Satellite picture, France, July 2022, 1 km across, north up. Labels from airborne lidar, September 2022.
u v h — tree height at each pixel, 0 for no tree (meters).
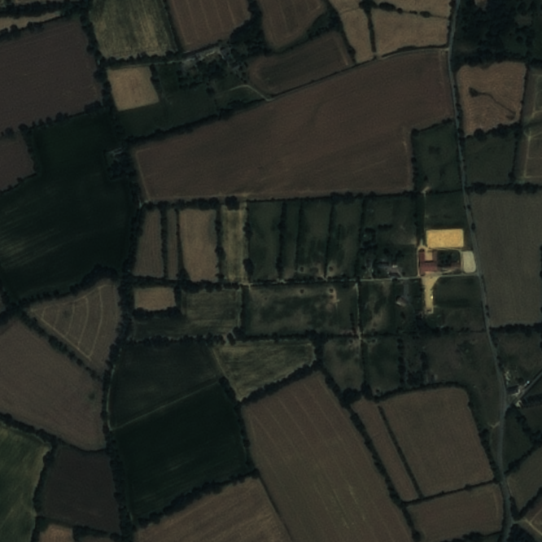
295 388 0
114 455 14
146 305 0
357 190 0
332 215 8
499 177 0
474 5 21
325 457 0
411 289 0
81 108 0
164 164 0
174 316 19
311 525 0
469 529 0
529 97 0
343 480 0
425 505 0
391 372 0
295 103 0
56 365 0
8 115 0
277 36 0
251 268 20
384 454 0
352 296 0
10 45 0
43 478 13
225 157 0
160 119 0
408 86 0
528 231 0
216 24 0
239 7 0
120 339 15
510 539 11
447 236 0
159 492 0
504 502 8
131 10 0
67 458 0
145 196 0
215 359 0
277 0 0
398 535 0
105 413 11
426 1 0
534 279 0
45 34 0
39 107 0
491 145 0
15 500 0
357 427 14
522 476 0
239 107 8
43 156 0
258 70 0
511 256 0
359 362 0
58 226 0
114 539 13
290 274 0
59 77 0
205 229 0
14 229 0
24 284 0
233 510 0
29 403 0
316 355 13
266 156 0
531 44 17
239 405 12
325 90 0
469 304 0
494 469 13
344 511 0
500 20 21
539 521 0
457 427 0
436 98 0
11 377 0
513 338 0
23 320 17
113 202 0
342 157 0
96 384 0
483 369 0
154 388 0
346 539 0
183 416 0
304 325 0
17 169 0
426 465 0
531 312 0
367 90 0
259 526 0
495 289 0
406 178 0
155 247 0
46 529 0
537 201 0
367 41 0
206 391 0
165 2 10
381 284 0
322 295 0
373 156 0
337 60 0
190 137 0
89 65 0
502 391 0
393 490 13
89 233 0
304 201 9
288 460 0
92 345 0
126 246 0
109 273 14
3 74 0
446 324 0
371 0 7
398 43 0
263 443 0
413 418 0
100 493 0
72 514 0
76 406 0
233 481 13
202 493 15
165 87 0
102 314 0
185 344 11
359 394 15
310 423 0
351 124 0
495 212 0
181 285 11
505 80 0
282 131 0
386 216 0
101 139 0
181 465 0
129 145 13
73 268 0
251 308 0
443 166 0
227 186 0
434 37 0
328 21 0
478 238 0
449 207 0
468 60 12
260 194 0
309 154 0
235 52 8
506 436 0
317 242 0
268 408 0
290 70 0
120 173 13
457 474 0
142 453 0
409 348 0
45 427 0
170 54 15
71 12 21
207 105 0
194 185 0
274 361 0
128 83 0
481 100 0
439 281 0
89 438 0
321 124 0
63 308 0
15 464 0
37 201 0
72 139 0
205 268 0
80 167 0
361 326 10
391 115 0
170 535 0
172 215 0
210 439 0
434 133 0
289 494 0
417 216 10
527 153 0
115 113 10
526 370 0
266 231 0
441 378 0
